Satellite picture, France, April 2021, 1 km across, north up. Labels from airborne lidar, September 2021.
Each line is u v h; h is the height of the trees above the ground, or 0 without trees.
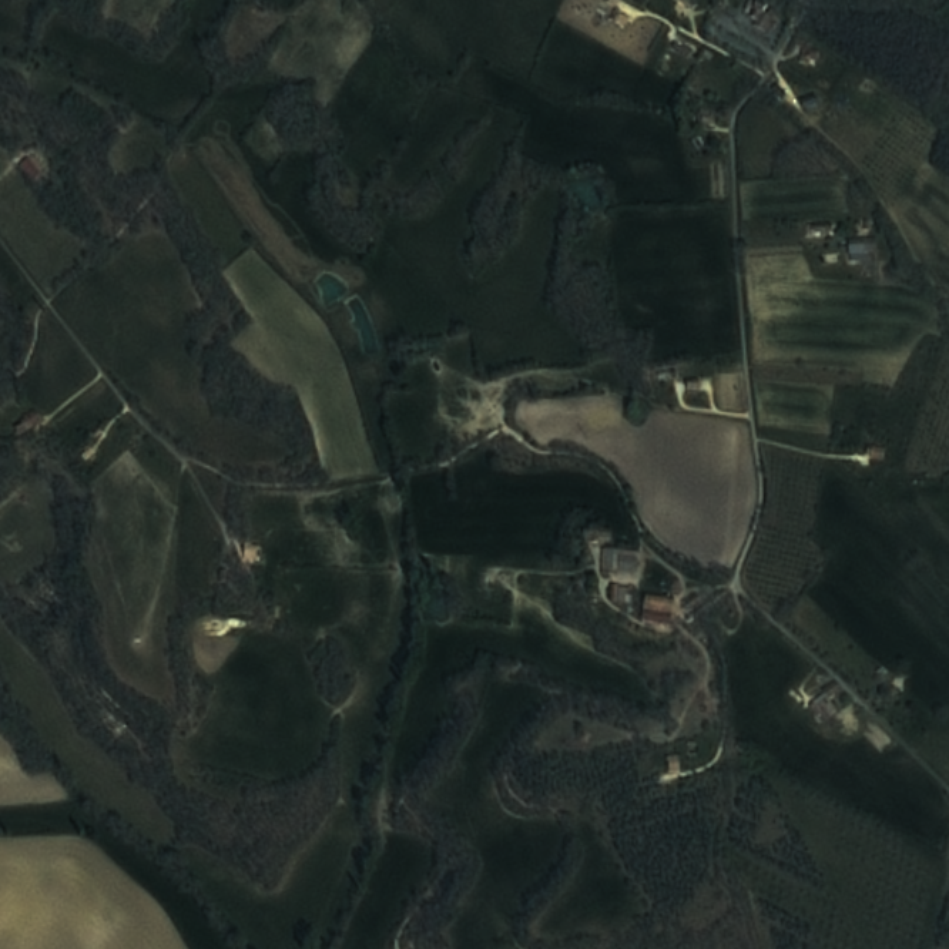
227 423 0
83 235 17
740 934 8
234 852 14
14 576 0
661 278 0
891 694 10
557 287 18
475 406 0
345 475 0
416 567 9
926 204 0
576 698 11
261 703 0
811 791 7
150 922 0
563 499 0
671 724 14
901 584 0
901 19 15
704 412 0
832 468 0
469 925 0
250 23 0
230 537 9
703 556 0
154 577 0
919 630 0
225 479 14
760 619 14
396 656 0
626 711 15
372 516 0
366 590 0
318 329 0
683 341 0
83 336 0
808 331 0
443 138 0
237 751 0
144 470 0
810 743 0
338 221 9
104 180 15
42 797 0
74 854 0
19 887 0
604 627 12
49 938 0
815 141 15
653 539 8
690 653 9
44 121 10
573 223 16
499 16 0
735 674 0
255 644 0
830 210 0
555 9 0
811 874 9
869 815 6
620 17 0
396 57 9
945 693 0
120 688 12
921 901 10
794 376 0
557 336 0
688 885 8
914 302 0
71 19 20
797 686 0
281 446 0
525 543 0
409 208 13
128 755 12
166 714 12
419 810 17
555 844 0
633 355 20
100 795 0
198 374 0
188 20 16
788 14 12
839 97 0
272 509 0
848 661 0
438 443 0
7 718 23
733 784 12
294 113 17
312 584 0
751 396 0
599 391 10
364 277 0
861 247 0
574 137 0
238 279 0
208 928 15
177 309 0
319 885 0
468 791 0
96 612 13
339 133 14
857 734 0
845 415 0
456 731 15
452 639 0
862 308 0
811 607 0
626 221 0
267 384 17
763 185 0
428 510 0
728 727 8
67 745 0
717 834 8
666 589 0
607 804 9
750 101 6
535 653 0
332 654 12
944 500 0
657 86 0
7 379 15
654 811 9
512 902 0
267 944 0
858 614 0
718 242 0
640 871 7
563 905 0
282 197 0
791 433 0
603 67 0
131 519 0
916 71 7
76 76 6
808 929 11
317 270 0
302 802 17
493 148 0
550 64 0
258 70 22
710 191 0
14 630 14
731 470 0
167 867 22
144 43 16
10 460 18
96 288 0
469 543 0
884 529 0
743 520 0
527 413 0
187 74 0
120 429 7
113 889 0
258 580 8
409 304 0
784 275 0
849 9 16
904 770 0
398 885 0
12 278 0
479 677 14
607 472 6
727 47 9
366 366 0
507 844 0
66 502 14
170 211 13
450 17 0
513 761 9
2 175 0
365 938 0
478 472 0
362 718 0
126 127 16
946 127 17
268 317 0
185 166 0
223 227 0
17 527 0
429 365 0
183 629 20
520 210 15
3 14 0
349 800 0
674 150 0
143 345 0
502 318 0
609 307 13
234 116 0
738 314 0
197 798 15
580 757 10
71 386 0
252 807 8
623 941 11
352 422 0
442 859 17
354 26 0
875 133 0
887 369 0
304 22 0
